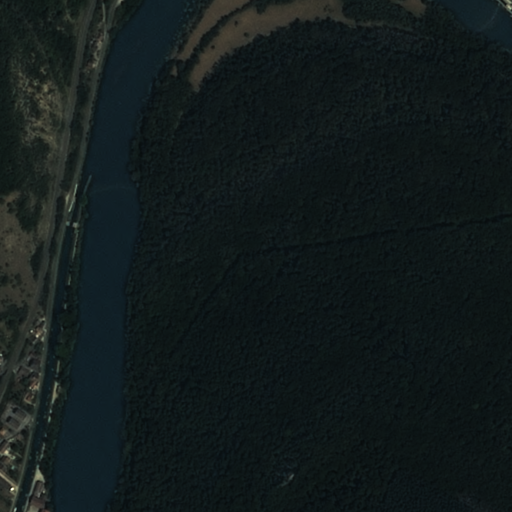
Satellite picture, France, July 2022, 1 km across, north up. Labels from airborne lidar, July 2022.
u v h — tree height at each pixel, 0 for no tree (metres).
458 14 0
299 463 17
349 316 32
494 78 17
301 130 25
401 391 28
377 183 25
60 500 0
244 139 18
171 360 16
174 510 29
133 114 0
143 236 21
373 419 24
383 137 26
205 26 0
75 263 14
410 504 24
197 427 23
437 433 28
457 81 30
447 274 22
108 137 0
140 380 18
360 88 23
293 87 27
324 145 17
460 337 23
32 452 0
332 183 27
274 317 27
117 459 0
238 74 26
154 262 26
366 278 27
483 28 0
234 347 24
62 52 21
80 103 7
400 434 31
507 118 29
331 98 27
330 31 27
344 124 17
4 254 0
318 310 33
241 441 23
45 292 15
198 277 21
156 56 0
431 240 24
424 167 28
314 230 29
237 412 26
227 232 22
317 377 27
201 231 19
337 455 24
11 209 8
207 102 22
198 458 23
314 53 23
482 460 21
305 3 0
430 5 20
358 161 26
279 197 23
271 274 31
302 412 24
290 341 24
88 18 0
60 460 0
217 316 30
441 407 27
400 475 22
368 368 29
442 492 23
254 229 26
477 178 32
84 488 0
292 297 30
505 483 22
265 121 22
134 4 9
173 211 15
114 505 29
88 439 0
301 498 25
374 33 27
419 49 31
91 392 0
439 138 30
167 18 0
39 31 16
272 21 0
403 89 22
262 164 19
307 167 22
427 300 24
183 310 21
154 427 20
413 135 26
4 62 11
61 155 0
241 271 29
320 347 30
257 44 16
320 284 27
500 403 31
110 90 0
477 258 23
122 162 0
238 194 21
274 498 13
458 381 24
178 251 22
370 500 24
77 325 10
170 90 20
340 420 21
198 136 18
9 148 13
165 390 21
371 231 19
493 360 26
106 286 0
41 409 0
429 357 29
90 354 0
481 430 23
